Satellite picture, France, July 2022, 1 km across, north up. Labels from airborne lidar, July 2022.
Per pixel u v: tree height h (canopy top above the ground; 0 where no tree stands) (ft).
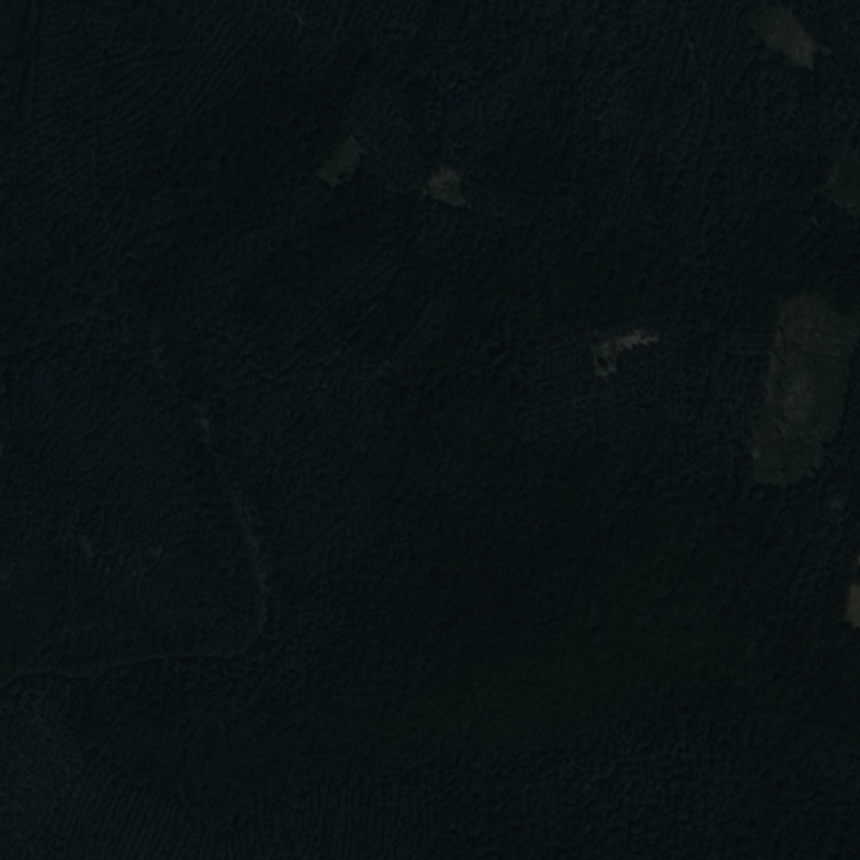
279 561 67
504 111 52
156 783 85
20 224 87
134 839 70
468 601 47
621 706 67
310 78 71
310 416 60
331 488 59
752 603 48
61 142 65
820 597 78
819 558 72
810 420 0
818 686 69
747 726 76
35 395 76
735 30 51
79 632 50
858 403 62
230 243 71
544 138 65
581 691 68
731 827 70
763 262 69
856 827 82
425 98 75
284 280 63
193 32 65
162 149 59
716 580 63
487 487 71
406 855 64
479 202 76
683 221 87
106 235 78
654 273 90
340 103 68
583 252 72
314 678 58
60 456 75
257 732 52
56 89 64
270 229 64
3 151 65
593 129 42
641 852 67
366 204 73
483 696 63
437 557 93
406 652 59
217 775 51
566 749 76
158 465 70
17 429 67
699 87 70
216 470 52
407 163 73
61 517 97
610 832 80
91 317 31
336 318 80
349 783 87
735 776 50
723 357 51
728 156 66
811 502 52
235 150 73
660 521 87
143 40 70
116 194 54
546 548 78
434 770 83
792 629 78
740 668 70
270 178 59
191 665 86
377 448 53
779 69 52
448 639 67
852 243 69
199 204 66
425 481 58
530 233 74
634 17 72
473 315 70
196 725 46
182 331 52
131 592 53
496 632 72
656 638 56
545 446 66
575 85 66
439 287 71
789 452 0
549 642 69
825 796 75
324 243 67
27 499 86
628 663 60
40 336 68
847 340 0
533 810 66
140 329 62
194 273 61
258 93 78
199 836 88
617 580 81
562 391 87
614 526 80
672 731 73
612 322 78
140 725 43
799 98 43
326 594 62
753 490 81
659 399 68
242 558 60
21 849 77
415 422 58
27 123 65
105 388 85
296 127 83
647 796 65
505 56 55
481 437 76
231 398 46
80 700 71
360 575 78
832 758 63
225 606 83
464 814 76
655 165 67
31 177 58
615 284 73
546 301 69
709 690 78
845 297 74
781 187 64
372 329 71
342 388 63
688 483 68
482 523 74
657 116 32
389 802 70
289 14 31
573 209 63
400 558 82
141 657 49
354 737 59
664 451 75
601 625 77
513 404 69
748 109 56
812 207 65
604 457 66
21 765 78
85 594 52
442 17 81
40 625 63
